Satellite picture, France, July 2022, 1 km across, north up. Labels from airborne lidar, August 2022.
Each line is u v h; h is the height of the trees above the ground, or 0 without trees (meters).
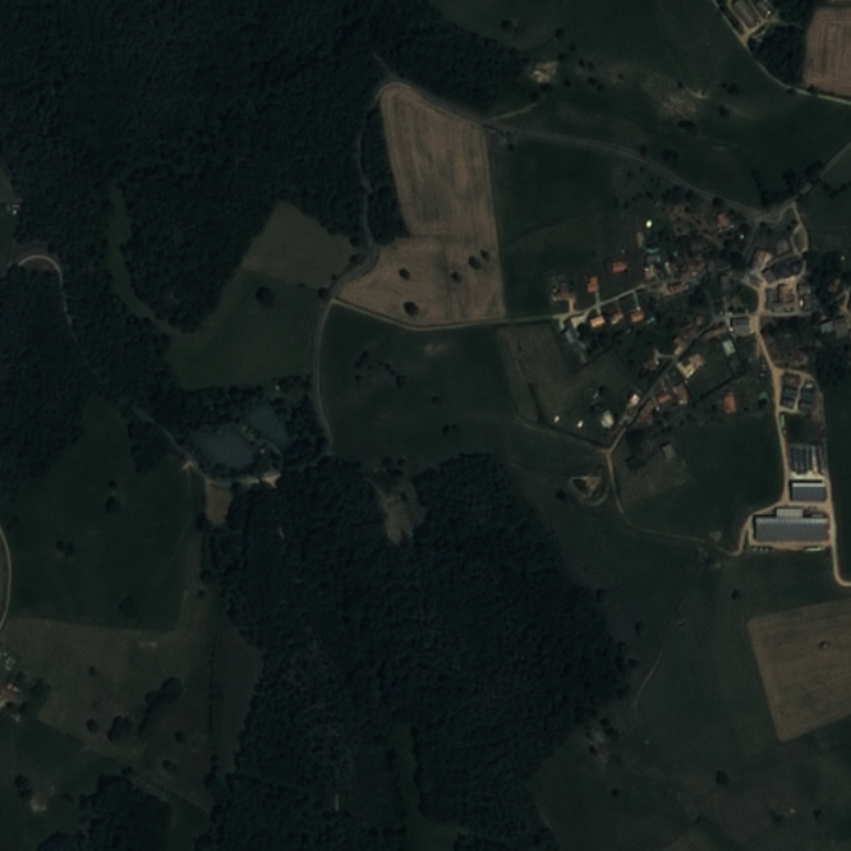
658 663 0
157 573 0
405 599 19
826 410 0
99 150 13
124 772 10
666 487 0
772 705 0
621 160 0
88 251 15
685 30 0
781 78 7
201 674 0
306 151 15
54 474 0
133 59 7
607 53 0
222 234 16
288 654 18
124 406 14
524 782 10
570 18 0
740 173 0
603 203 0
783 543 0
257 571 16
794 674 0
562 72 0
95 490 0
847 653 0
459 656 15
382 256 0
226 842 18
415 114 0
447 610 13
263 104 17
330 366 0
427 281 0
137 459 12
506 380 0
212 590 0
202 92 26
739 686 0
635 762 0
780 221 0
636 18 0
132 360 21
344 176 11
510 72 10
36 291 16
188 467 0
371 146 14
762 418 0
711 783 0
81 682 0
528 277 0
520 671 16
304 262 0
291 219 0
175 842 0
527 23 0
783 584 0
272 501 13
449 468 13
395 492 0
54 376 19
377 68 6
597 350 13
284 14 18
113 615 0
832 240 0
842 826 0
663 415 6
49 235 16
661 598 0
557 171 0
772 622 0
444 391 0
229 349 0
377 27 19
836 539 0
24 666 0
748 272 0
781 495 0
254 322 0
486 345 0
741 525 0
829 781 0
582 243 0
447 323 0
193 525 0
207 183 21
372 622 24
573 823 0
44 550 0
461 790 12
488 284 0
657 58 0
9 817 0
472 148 0
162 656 0
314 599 19
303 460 15
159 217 20
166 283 8
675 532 0
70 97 8
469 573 19
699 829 0
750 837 0
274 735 19
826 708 0
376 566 16
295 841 21
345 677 6
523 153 0
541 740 9
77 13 11
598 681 23
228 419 20
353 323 0
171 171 23
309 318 0
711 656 0
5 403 17
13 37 13
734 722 0
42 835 0
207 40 16
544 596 19
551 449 0
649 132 0
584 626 18
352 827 22
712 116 0
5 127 16
